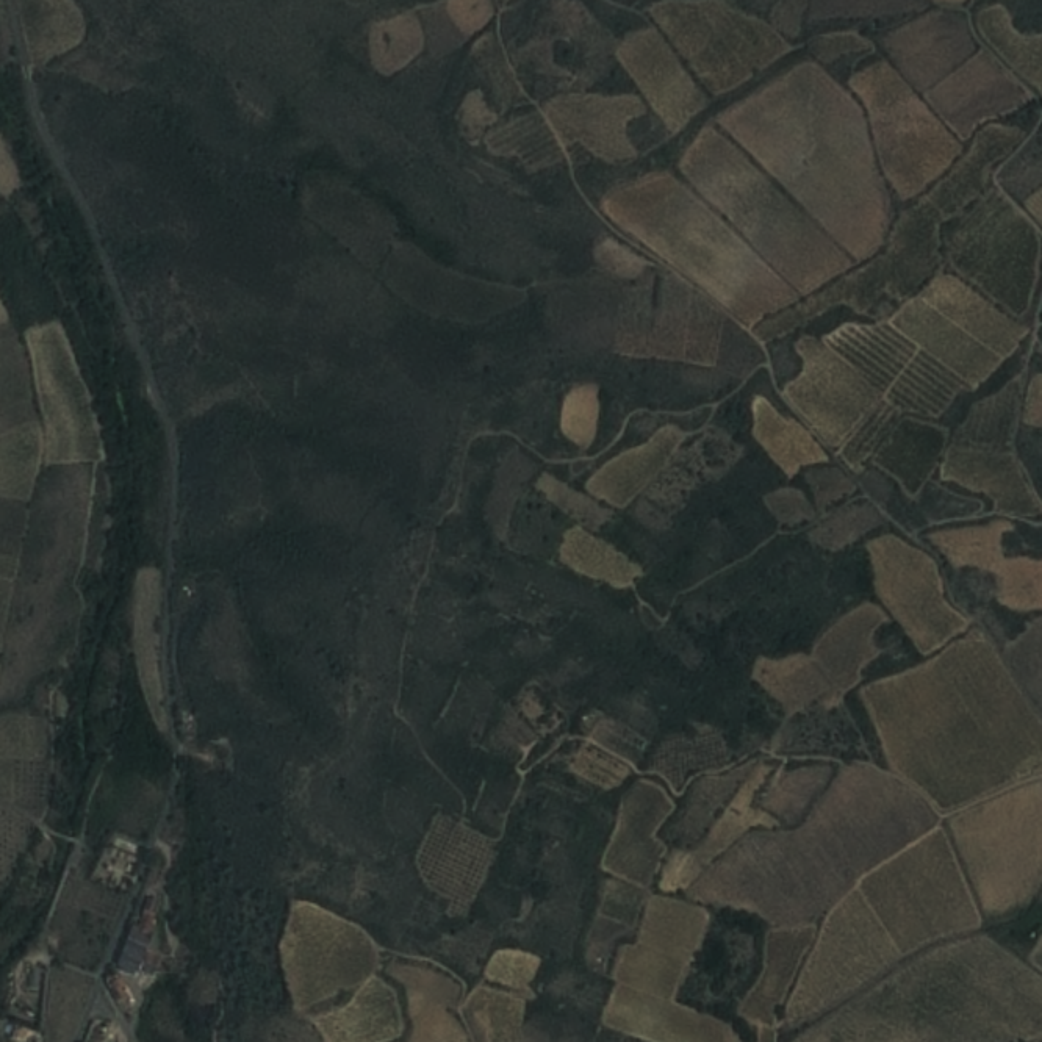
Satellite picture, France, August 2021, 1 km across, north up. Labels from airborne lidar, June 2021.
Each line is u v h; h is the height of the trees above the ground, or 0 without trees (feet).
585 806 19
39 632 0
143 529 27
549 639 0
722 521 21
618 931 0
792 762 20
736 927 18
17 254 24
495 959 0
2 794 0
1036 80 0
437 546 0
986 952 0
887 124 0
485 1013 0
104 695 0
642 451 0
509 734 0
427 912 0
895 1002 0
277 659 21
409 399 0
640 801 0
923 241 0
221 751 22
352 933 0
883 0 0
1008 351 0
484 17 0
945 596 18
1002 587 0
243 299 0
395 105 0
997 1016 0
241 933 31
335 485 0
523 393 0
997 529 0
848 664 0
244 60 0
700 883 0
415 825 0
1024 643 0
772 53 0
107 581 36
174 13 0
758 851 0
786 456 0
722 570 0
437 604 0
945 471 0
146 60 0
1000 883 0
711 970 39
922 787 0
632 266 0
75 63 0
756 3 0
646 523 0
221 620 0
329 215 0
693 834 0
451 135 0
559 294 0
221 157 20
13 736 0
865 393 0
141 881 28
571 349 0
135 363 29
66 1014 0
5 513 0
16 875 30
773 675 0
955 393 0
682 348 0
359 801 0
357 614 0
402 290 0
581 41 0
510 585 0
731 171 0
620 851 0
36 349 0
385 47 0
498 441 0
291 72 0
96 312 38
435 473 0
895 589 0
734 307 0
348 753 0
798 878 0
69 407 0
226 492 0
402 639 0
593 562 0
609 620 0
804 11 0
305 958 0
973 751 0
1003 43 0
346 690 0
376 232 0
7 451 0
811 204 0
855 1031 0
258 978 38
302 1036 0
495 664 0
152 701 0
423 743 0
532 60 0
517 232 0
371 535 0
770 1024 0
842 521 0
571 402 0
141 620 0
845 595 0
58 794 25
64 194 26
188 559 24
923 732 0
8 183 0
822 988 0
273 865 0
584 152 0
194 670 0
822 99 0
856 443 0
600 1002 0
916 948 0
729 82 0
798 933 0
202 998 0
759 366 0
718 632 29
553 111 0
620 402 0
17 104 21
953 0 0
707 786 0
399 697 0
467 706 0
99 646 26
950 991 0
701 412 0
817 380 0
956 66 0
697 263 0
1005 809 0
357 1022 0
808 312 0
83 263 36
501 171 0
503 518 0
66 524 0
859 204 0
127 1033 0
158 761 25
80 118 0
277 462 0
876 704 0
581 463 0
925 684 0
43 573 0
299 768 0
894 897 0
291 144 0
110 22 0
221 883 22
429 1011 0
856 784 0
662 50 0
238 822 0
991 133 0
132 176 0
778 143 0
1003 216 0
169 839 0
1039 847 0
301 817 0
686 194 0
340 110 0
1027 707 0
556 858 0
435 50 0
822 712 0
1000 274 0
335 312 0
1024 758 0
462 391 0
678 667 31
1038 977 0
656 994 0
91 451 0
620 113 0
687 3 0
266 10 0
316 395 0
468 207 0
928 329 0
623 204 0
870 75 0
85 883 0
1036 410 0
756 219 0
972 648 0
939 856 0
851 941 0
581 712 22
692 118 0
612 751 0
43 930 35
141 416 35
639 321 0
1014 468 0
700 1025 0
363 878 0
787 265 0
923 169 0
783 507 0
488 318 0
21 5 0
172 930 21
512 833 18
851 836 0
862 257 0
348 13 0
